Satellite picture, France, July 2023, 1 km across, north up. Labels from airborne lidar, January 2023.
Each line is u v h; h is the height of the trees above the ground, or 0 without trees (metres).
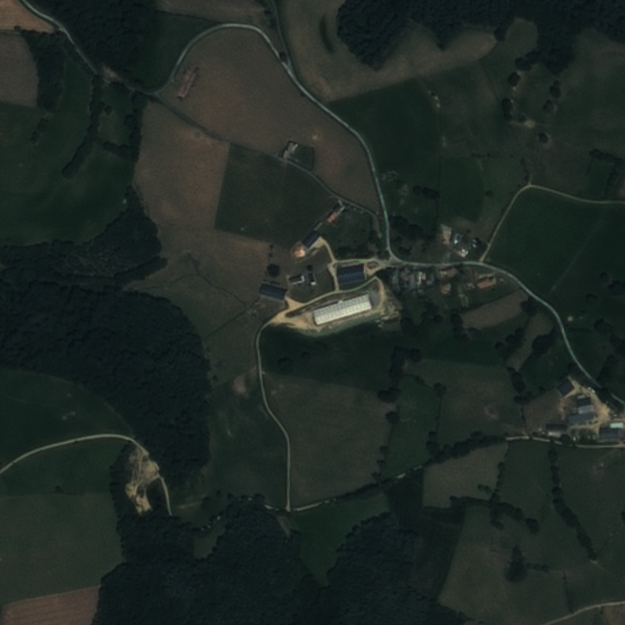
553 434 0
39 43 12
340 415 0
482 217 0
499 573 0
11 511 0
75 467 0
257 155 0
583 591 0
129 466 0
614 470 0
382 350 0
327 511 0
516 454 0
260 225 0
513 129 0
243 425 0
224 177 0
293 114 0
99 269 13
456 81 0
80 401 0
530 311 15
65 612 0
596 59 0
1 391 0
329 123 0
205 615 15
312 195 0
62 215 0
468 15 23
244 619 21
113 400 18
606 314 0
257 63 0
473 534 0
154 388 23
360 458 0
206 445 26
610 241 0
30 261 18
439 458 15
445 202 0
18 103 0
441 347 0
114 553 0
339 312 0
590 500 0
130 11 19
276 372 0
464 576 0
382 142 0
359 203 0
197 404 26
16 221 0
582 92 0
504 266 0
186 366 18
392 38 21
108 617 13
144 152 0
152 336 25
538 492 0
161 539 23
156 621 16
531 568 10
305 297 0
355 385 0
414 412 0
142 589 19
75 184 0
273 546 17
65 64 13
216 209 0
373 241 11
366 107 0
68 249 18
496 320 0
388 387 0
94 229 0
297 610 10
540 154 0
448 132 0
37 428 0
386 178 0
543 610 0
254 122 0
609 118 0
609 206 0
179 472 21
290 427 0
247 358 0
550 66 11
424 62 0
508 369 6
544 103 0
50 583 0
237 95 0
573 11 19
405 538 18
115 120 0
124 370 26
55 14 16
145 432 21
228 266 0
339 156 0
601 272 0
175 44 0
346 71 0
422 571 0
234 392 0
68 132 0
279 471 0
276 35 0
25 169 0
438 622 14
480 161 0
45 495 0
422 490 8
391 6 23
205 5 0
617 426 0
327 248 0
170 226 0
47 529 0
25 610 0
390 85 0
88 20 23
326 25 0
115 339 27
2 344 9
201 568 21
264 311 0
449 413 0
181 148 0
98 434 0
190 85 0
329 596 19
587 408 0
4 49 0
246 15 0
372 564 23
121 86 16
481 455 0
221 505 0
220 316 0
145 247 21
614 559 0
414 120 0
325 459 0
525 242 0
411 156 0
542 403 0
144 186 0
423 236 13
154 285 0
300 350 0
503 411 0
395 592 16
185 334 19
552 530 0
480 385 0
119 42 24
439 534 0
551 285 0
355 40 20
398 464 0
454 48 0
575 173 0
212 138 0
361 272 0
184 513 0
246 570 16
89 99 0
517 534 0
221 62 0
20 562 0
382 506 0
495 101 0
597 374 0
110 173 0
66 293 23
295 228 0
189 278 0
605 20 19
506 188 0
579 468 0
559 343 0
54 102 9
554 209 0
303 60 0
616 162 9
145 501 0
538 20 15
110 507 0
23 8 0
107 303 26
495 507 16
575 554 0
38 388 0
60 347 22
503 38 15
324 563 0
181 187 0
